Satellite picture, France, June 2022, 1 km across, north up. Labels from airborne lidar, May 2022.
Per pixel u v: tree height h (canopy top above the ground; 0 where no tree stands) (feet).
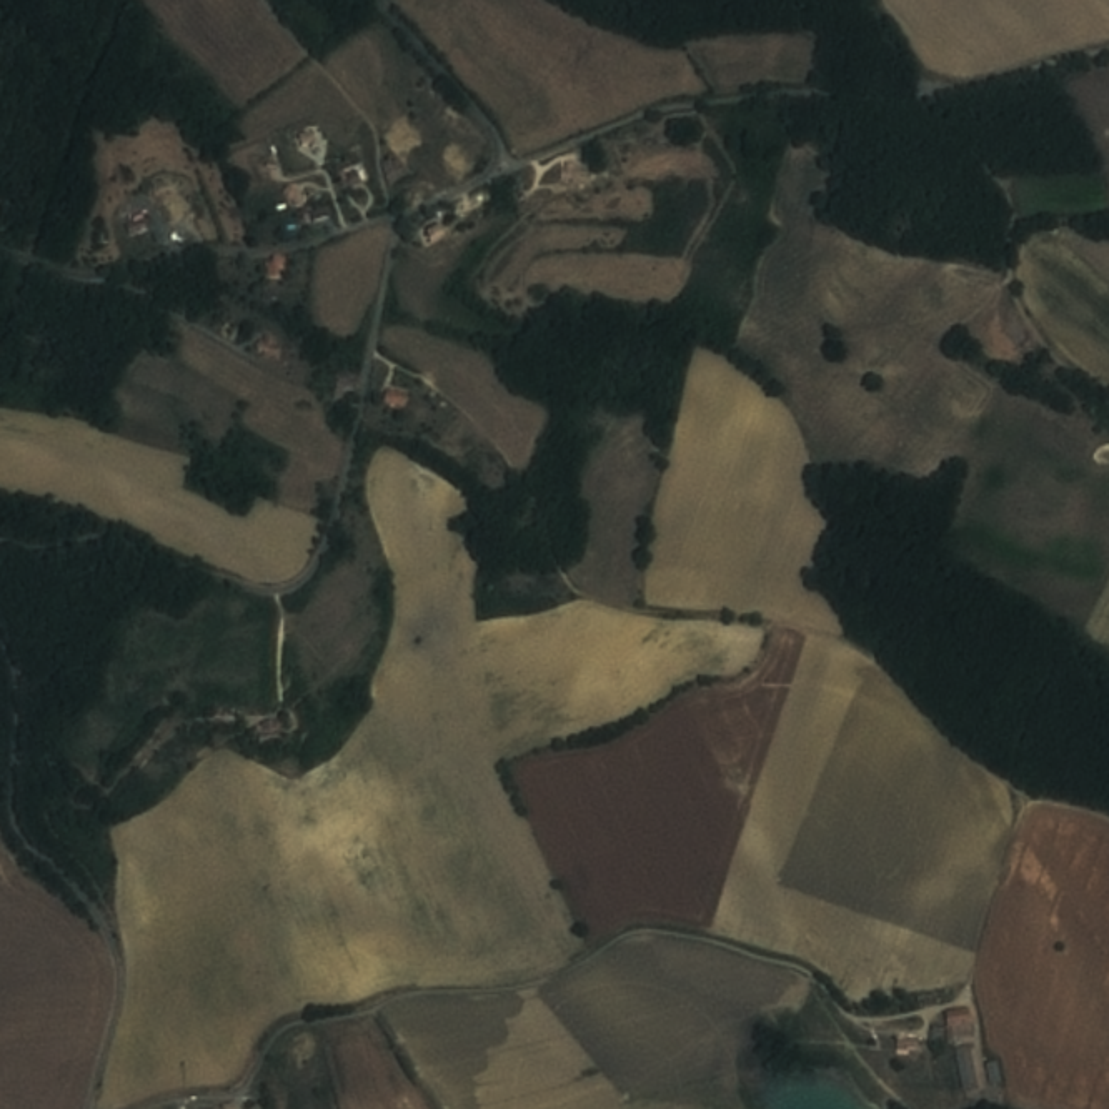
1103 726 68
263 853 0
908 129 54
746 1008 0
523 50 0
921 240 46
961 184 53
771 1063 45
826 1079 0
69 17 53
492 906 0
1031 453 0
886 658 52
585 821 0
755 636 0
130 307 35
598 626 0
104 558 59
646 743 0
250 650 0
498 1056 0
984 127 56
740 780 0
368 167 0
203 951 0
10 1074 0
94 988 0
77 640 55
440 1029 0
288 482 0
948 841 0
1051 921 0
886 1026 0
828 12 52
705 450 0
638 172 0
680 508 0
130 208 0
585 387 45
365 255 0
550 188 0
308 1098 0
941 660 53
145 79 35
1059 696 59
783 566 0
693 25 46
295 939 0
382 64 0
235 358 0
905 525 57
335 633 0
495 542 48
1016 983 0
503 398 0
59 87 80
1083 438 0
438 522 0
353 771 0
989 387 0
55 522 45
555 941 0
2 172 55
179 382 0
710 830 0
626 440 0
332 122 0
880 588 81
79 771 25
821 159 52
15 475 0
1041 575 0
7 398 35
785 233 0
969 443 0
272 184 0
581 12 57
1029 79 42
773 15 57
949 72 0
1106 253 0
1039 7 0
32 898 0
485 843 0
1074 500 0
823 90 43
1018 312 0
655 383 45
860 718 0
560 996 0
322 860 0
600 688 0
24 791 39
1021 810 0
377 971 0
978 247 33
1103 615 0
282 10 27
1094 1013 0
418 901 0
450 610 0
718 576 0
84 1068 0
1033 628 39
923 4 0
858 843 0
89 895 39
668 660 0
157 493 0
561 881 23
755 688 0
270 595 0
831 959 0
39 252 36
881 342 0
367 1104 0
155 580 61
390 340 0
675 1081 0
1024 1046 0
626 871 0
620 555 0
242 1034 0
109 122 42
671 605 0
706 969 0
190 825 0
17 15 58
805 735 0
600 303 68
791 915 0
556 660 0
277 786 0
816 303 0
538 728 0
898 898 0
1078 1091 0
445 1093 0
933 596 85
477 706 0
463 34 0
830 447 0
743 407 0
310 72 0
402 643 0
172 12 0
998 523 0
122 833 0
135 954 0
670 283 0
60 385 44
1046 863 0
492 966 0
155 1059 0
